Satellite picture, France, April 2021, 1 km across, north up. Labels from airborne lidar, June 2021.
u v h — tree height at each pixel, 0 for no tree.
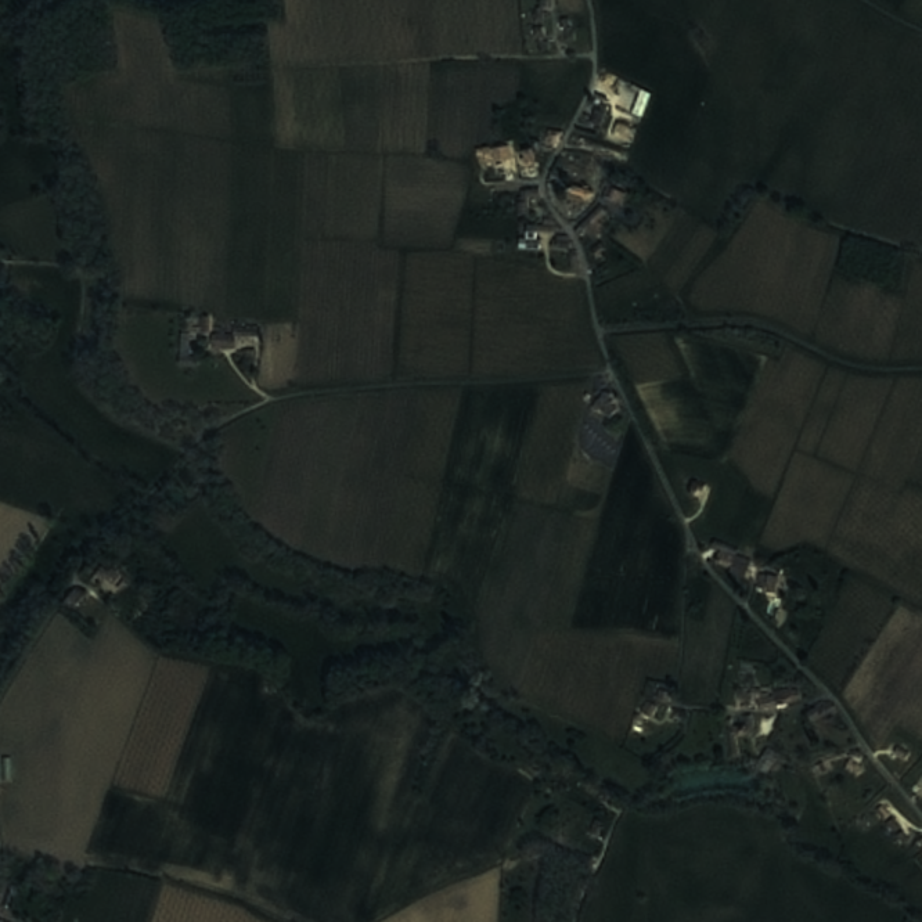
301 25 0
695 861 0
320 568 15
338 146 0
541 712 0
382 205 0
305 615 19
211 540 0
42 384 0
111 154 0
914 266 0
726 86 0
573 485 0
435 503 0
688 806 8
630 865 0
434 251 0
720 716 13
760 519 0
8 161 0
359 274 0
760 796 17
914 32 0
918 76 0
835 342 0
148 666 0
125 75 0
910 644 0
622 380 13
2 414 9
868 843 0
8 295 21
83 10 15
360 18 0
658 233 0
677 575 0
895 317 0
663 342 0
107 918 0
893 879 0
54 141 14
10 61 10
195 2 15
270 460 0
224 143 0
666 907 0
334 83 0
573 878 15
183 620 0
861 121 0
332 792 0
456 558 0
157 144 0
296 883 0
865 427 0
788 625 0
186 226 0
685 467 0
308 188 0
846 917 0
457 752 0
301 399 0
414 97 0
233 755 0
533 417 0
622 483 0
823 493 0
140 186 0
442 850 0
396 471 0
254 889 0
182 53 18
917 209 0
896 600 6
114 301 13
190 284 0
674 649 0
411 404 0
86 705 0
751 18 0
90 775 0
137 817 0
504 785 0
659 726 0
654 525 0
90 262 13
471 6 0
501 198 9
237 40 22
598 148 0
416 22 0
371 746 0
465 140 0
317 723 9
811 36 0
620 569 0
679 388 0
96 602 0
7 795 0
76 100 0
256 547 23
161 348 0
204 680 0
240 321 0
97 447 0
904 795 0
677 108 0
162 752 0
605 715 0
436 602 7
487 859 0
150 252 0
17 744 0
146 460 0
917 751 0
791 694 0
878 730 0
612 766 0
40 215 0
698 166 0
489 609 0
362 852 0
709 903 0
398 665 25
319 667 0
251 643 21
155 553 20
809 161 0
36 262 11
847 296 0
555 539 0
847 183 0
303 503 0
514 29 0
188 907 0
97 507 0
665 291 0
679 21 0
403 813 0
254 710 0
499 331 0
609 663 0
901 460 0
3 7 24
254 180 0
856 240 11
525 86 0
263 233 0
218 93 0
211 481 19
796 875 0
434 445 0
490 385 0
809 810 0
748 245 0
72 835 0
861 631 0
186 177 0
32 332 20
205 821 0
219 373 0
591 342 0
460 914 0
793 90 0
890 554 0
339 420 0
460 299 0
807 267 0
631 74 0
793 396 0
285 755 0
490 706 24
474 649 12
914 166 0
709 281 0
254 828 0
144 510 19
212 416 14
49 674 0
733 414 0
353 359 0
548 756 13
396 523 0
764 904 0
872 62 0
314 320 0
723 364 0
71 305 0
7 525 0
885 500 0
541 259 8
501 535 0
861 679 0
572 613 0
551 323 0
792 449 0
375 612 0
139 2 16
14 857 13
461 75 0
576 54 8
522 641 0
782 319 0
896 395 0
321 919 0
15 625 15
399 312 0
